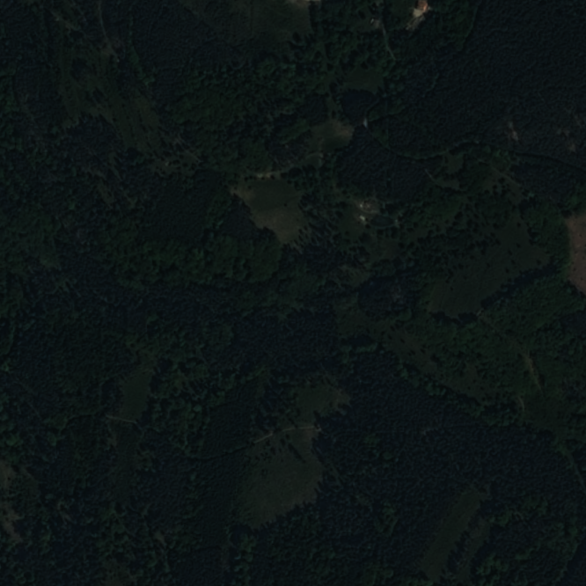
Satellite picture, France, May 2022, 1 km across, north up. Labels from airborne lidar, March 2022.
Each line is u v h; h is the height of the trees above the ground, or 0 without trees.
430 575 0
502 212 11
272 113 13
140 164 34
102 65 0
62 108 15
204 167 12
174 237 15
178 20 18
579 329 26
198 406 30
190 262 21
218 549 23
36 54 28
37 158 28
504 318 21
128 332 30
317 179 23
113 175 25
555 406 0
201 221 12
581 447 10
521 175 26
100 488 18
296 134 22
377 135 18
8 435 36
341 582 21
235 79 19
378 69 22
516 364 25
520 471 22
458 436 24
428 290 26
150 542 19
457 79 22
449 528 0
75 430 13
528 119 16
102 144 30
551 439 28
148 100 26
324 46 0
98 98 24
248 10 0
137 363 8
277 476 0
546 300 23
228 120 24
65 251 32
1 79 19
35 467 30
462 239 14
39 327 27
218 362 23
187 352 28
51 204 28
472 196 8
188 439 26
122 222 24
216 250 34
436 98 25
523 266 0
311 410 0
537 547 17
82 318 19
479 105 25
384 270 18
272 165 22
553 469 28
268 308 26
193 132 22
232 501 9
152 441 24
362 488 30
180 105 28
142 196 21
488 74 23
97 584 25
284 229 0
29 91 21
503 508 28
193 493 19
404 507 32
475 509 0
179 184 11
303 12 0
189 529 18
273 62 25
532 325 20
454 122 23
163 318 22
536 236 22
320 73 15
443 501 27
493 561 23
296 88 10
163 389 22
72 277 26
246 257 29
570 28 25
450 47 28
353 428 32
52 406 21
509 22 25
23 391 23
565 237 26
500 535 20
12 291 24
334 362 27
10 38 29
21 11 28
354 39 20
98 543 27
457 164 0
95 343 17
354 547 27
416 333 35
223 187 10
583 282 0
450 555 0
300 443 0
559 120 19
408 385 27
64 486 25
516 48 18
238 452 16
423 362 0
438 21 21
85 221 23
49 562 23
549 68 25
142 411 0
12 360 17
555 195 30
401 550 24
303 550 21
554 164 20
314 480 0
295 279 24
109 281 31
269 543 18
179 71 20
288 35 0
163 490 27
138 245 22
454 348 26
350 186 20
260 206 0
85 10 32
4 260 20
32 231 26
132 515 21
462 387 0
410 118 19
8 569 31
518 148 20
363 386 29
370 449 23
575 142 19
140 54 25
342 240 13
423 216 26
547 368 23
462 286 0
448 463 25
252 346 32
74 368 17
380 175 22
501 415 30
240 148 26
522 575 17
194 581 22
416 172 21
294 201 0
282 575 20
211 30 18
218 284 15
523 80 24
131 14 25
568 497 27
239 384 15
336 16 24
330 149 0
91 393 23
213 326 24
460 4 23
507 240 0
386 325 0
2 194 31
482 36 18
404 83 25
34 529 16
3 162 20
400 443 32
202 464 15
